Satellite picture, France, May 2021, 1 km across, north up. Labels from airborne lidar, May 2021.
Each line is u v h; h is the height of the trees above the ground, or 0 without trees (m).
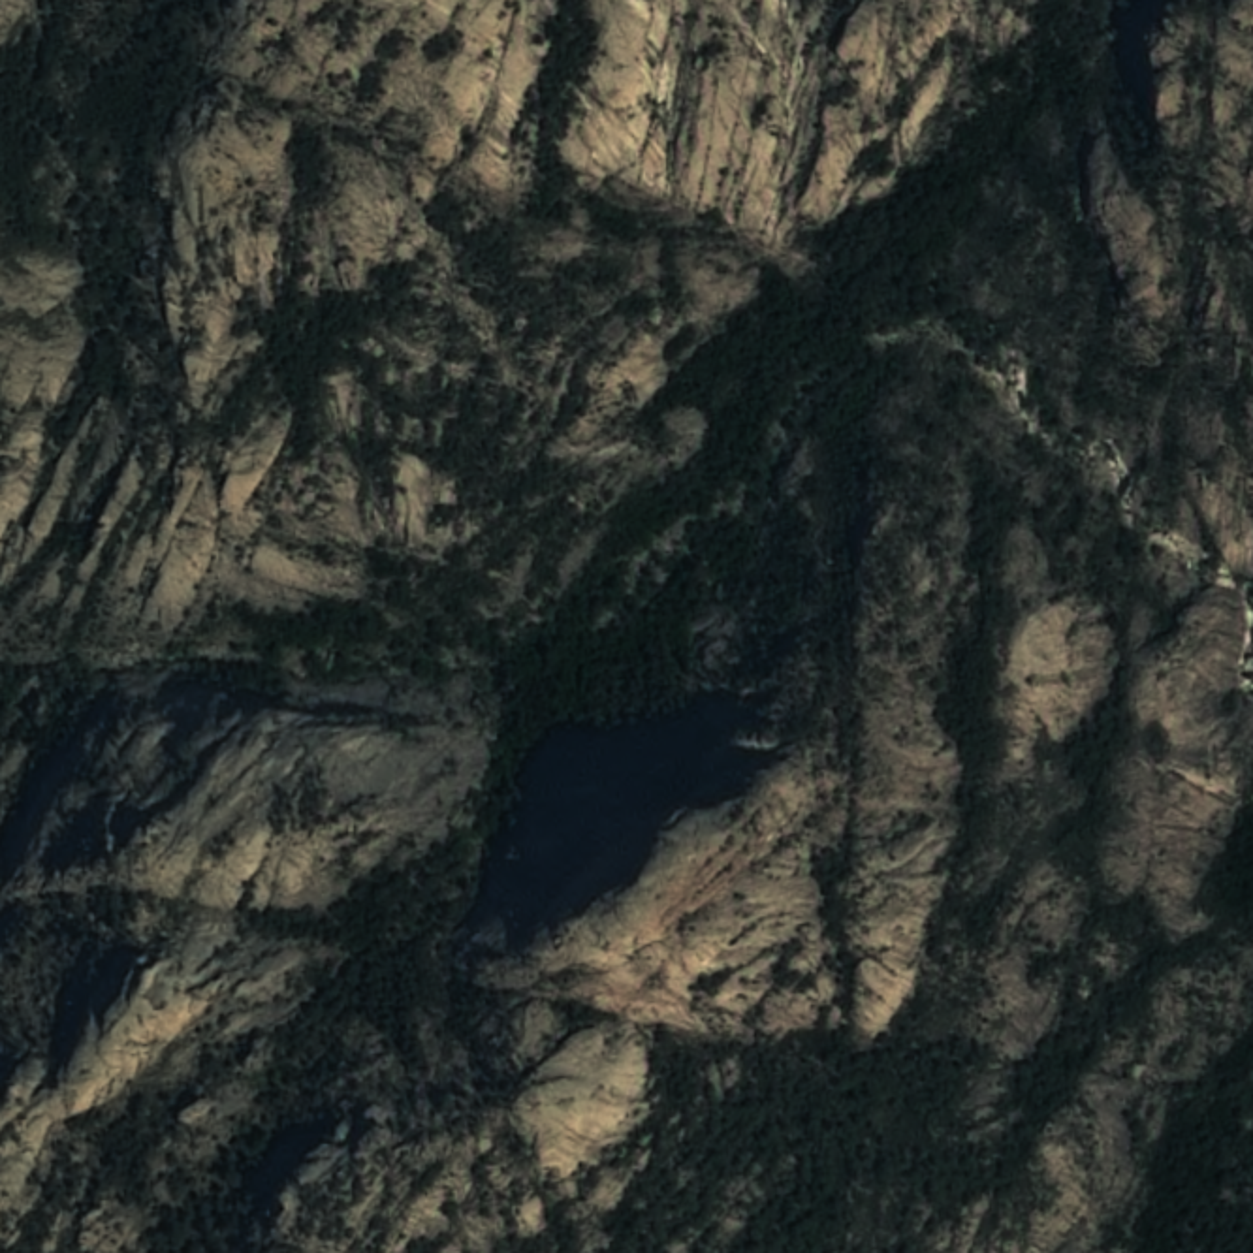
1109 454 0
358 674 12
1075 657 0
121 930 12
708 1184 17
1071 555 9
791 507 10
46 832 0
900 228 25
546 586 6
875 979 0
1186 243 9
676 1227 6
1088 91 6
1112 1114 0
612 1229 17
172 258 14
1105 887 6
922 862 0
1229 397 6
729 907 0
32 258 0
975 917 16
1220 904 8
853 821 8
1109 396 6
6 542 14
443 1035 9
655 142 0
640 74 0
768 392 25
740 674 6
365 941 19
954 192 31
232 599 9
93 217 19
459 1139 10
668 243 6
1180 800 0
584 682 18
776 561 7
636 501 8
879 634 6
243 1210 17
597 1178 18
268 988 0
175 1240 35
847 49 0
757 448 8
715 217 12
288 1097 12
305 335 11
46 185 9
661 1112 25
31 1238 11
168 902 10
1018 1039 0
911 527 12
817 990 7
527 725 16
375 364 15
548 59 18
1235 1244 30
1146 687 0
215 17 22
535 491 8
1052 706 0
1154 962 17
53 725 12
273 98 9
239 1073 9
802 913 0
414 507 0
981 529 16
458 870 24
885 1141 17
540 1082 7
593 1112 0
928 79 0
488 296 11
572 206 8
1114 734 13
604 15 0
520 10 7
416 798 0
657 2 0
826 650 12
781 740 6
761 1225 20
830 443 7
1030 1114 7
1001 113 8
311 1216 7
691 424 0
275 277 21
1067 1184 0
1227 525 0
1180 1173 23
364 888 24
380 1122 0
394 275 14
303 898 0
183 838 0
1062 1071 21
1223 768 0
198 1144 11
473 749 0
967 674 19
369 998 20
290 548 8
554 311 14
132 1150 11
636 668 17
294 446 8
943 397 11
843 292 21
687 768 13
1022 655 0
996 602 13
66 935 9
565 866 8
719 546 18
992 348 25
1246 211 6
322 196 11
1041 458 7
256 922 20
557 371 10
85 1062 0
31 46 18
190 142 0
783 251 0
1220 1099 8
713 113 0
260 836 0
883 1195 16
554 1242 18
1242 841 15
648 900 0
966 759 16
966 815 7
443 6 0
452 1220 10
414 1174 12
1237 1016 7
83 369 16
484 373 17
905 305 23
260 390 10
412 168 8
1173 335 11
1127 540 16
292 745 0
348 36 9
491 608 8
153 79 17
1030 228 7
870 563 7
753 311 9
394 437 8
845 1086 31
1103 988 10
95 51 13
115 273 17
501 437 7
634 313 7
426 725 8
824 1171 19
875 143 20
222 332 0
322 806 8
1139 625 0
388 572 9
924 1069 25
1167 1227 11
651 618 17
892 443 6
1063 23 20
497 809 20
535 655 20
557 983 11
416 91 0
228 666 15
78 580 6
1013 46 8
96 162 19
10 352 0
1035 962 9
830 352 20
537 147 7
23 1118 13
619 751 17
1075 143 8
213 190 0
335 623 24
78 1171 13
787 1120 26
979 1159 9
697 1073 10
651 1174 19
